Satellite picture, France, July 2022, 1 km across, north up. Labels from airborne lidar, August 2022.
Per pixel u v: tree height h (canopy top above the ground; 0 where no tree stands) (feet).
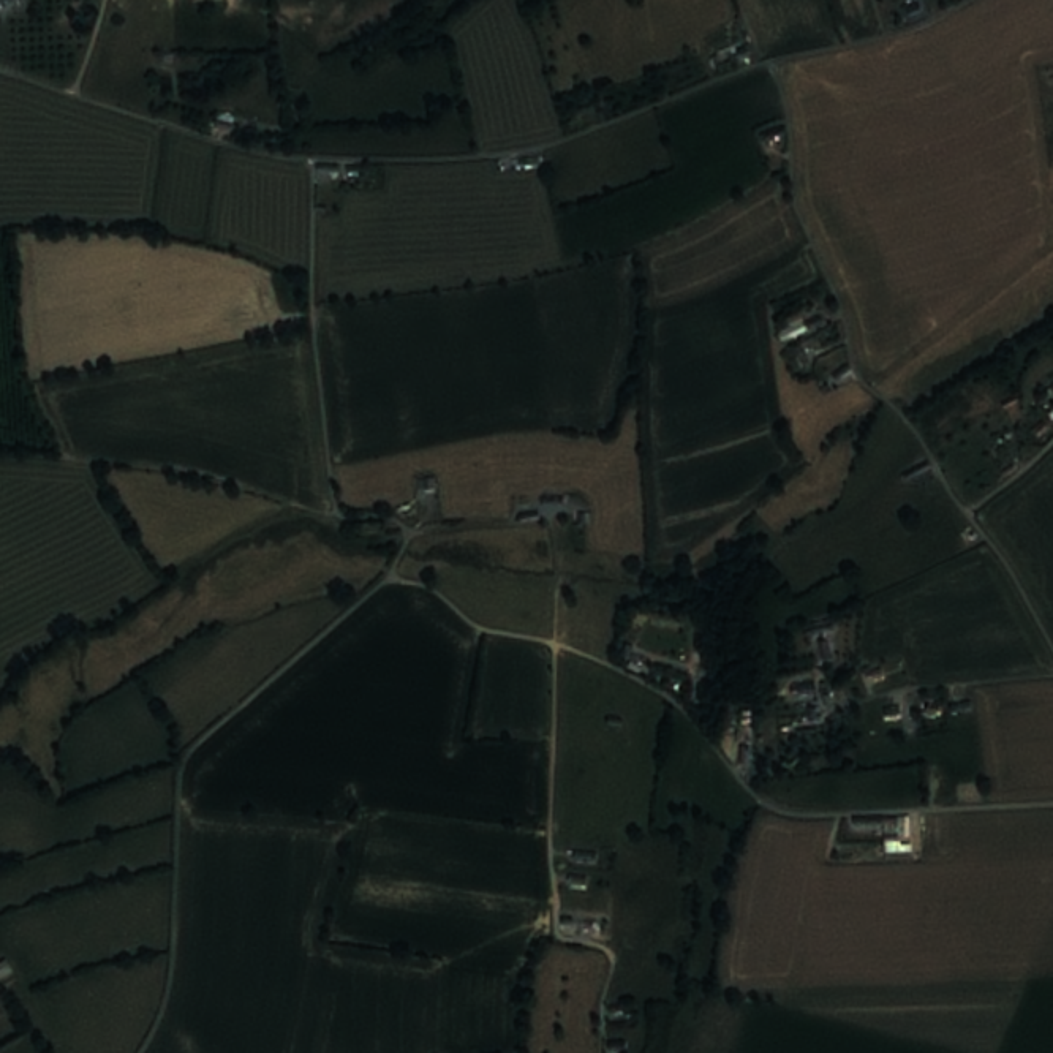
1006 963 0
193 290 0
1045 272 0
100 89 0
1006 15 0
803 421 0
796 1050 0
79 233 56
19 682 96
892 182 0
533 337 0
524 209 0
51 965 0
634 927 0
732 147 0
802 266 0
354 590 33
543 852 0
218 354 0
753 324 0
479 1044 0
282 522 0
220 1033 0
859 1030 0
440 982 0
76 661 0
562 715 0
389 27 85
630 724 0
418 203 0
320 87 0
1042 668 0
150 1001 0
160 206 0
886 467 0
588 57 0
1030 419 0
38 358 0
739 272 0
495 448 0
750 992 0
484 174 0
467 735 20
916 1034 0
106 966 21
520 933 0
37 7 21
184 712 0
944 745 0
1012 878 0
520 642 0
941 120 0
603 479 0
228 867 0
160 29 0
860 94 0
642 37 0
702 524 0
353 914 0
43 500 0
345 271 0
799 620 30
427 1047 0
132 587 0
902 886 0
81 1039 0
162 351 0
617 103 19
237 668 0
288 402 0
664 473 0
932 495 0
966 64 0
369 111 0
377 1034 0
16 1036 22
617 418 23
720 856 0
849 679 38
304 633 0
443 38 22
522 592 0
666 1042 0
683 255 0
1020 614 0
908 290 0
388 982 0
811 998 0
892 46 0
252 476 0
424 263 0
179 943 0
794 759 37
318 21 0
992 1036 0
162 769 32
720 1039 0
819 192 0
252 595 0
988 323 0
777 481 52
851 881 0
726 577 82
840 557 0
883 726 0
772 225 0
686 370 0
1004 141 0
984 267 0
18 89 0
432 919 0
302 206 0
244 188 0
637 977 0
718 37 0
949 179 0
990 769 0
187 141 0
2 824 0
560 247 0
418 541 0
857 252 0
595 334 0
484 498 0
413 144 0
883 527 0
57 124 0
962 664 0
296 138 21
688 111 0
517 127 0
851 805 0
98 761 0
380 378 0
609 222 0
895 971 0
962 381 38
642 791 0
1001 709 0
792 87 0
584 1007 0
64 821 0
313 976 0
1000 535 0
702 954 0
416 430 0
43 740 0
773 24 0
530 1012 45
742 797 0
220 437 0
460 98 20
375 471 0
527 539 0
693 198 0
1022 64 0
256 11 0
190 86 38
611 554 0
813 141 0
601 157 0
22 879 0
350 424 0
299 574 0
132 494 0
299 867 0
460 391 0
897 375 0
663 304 0
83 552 0
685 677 27
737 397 0
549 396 0
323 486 0
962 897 0
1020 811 0
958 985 0
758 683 65
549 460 0
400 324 0
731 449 0
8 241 45
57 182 0
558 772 0
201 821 0
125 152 0
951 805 0
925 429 0
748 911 0
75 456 0
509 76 0
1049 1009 0
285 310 0
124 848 0
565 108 29
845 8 0
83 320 0
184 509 0
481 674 30
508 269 0
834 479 0
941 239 0
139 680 43
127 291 0
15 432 19
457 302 0
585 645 0
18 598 0
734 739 0
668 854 0
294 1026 0
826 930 0
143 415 0
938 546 0
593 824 0
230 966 0
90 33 22
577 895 0
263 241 0
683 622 42
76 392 0
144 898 0
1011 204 0
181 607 0
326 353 0
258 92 0
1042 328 39
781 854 0
